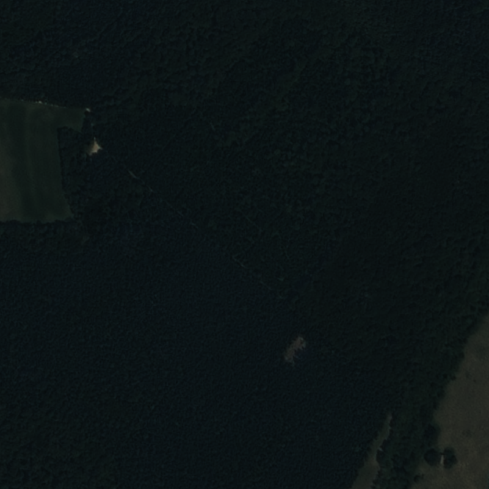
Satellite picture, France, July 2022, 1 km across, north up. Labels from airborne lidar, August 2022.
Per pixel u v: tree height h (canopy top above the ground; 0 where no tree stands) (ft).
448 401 0
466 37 82
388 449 78
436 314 87
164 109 52
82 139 57
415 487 0
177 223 71
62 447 85
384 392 69
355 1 69
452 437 0
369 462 0
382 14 79
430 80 85
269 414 65
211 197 45
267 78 31
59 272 50
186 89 83
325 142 58
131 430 57
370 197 87
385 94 91
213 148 27
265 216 31
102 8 85
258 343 60
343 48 42
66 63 71
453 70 67
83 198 94
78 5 75
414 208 67
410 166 74
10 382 76
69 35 85
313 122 30
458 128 68
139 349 66
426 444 42
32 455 79
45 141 0
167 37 71
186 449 64
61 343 72
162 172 45
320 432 73
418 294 92
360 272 66
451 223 91
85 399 63
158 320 76
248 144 41
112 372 65
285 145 28
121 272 76
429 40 69
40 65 60
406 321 95
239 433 52
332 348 63
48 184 0
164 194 44
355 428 64
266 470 43
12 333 58
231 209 34
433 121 77
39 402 55
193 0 98
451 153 62
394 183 67
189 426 60
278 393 71
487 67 55
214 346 62
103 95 41
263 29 84
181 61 87
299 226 23
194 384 76
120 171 83
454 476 0
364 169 84
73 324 75
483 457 0
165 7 66
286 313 78
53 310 59
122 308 66
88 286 77
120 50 69
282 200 35
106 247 79
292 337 69
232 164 33
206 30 70
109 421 62
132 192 84
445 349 83
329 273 73
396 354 87
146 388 58
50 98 48
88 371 55
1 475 45
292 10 74
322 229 20
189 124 31
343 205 81
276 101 63
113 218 26
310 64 29
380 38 58
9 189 0
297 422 46
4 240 50
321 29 73
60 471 93
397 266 80
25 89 49
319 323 46
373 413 70
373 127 93
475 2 108
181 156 35
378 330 89
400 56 89
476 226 66
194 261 80
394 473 83
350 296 71
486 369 0
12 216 0
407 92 87
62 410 61
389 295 87
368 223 77
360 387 63
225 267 80
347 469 72
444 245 97
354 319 76
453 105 72
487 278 84
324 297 88
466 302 102
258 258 35
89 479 81
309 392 42
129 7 64
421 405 77
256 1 68
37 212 0
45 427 66
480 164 91
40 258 66
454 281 89
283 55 44
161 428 61
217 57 87
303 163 69
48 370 66
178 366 66
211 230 46
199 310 68
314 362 57
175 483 55
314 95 31
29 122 0
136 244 72
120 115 62
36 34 37
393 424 42
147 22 68
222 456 63
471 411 0
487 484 0
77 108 31
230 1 74
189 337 73
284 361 54
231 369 71
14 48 40
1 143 0
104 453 56
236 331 51
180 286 55
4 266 69
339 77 33
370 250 62
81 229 73
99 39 64
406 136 80
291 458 67
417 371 76
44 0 71
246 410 72
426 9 126
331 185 77
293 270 31
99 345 68
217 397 69
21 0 76
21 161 0
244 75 35
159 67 33
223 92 32
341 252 67
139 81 95
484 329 0
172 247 66
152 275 76
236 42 91
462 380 0
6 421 83
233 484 56
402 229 62
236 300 73
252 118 61
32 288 65
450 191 61
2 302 56
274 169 37
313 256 31
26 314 76
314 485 70
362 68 26
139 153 60
